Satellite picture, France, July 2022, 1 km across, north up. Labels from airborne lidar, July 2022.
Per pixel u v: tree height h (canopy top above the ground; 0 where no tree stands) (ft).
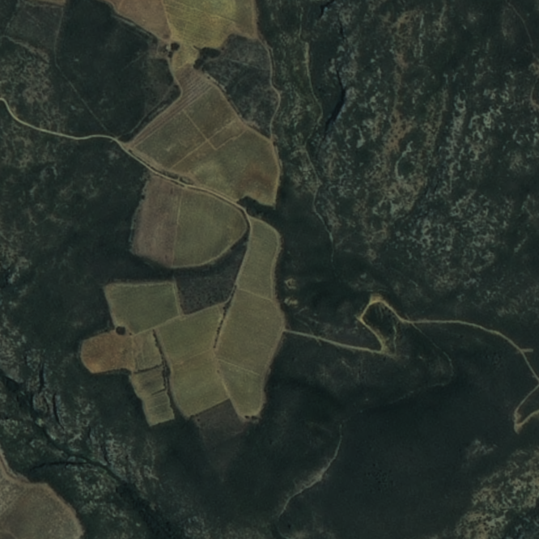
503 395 0
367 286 0
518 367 0
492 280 0
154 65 0
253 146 0
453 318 0
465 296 0
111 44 0
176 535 58
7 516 0
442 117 0
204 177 0
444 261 0
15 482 0
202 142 0
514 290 0
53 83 0
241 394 0
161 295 0
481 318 0
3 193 0
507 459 0
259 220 0
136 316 0
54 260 0
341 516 0
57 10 0
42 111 0
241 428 0
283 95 0
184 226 0
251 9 0
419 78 0
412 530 0
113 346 0
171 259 0
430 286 0
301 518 0
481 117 0
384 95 0
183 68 0
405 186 0
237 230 0
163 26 0
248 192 0
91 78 0
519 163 0
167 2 0
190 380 0
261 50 0
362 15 0
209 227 0
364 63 0
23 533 0
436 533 0
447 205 0
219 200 0
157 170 0
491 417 0
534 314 0
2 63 0
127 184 0
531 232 0
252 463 23
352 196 0
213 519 0
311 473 0
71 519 0
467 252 0
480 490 0
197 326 0
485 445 0
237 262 0
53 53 0
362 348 0
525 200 0
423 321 0
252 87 0
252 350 0
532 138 0
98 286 0
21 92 0
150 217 0
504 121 0
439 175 0
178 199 0
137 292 0
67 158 0
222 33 0
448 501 0
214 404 0
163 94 0
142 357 0
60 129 0
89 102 0
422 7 0
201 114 0
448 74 0
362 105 0
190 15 0
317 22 0
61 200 0
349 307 0
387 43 0
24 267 0
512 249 0
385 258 0
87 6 0
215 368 0
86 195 0
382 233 0
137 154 0
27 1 0
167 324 0
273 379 30
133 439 0
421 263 0
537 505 18
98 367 0
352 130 0
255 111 0
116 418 0
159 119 0
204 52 21
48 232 0
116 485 31
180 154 0
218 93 0
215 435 0
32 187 0
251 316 0
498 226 0
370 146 0
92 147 0
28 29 0
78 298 0
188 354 0
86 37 0
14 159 0
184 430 19
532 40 0
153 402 0
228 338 0
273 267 0
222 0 0
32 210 0
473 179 0
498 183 0
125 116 0
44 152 0
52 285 0
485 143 0
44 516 0
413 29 0
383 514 0
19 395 32
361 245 0
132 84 0
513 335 0
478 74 0
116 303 0
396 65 0
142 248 0
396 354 0
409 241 0
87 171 0
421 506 0
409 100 0
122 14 0
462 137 0
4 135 0
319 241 0
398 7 0
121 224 0
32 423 21
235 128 0
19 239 0
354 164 0
